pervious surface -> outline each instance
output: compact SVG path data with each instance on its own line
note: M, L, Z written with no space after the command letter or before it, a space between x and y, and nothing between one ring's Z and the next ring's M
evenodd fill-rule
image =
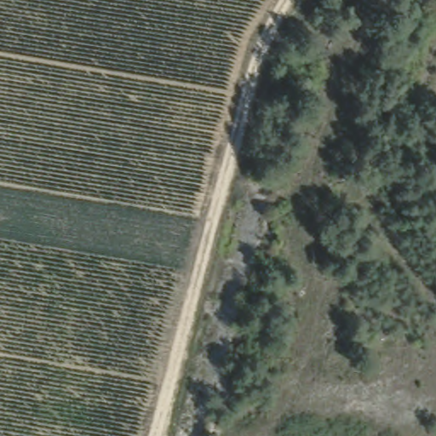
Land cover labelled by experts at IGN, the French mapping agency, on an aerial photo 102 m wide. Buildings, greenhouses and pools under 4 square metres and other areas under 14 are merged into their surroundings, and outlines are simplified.
M274 34L278 31L276 24L290 10L293 0L278 0L274 12L271 10L262 15L261 24L250 36L249 46L240 66L240 77L235 83L235 94L230 107L230 121L225 126L230 145L225 146L223 152L208 218L204 223L198 255L192 267L191 283L182 305L181 318L170 351L169 366L160 388L157 409L153 414L148 436L167 436L175 390L179 383L181 375L182 363L187 354L187 342L191 336L199 295L203 288L204 274L208 269L211 249L215 244L216 228L220 223L223 206L227 203L230 182L237 169L235 157L244 150L240 145L249 118L250 102L255 94L259 61L267 53L267 46L274 41Z

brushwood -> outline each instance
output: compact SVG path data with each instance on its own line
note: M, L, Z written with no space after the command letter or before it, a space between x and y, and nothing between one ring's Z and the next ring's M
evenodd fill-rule
M293 421L288 422L284 431L274 433L276 436L363 436L368 429L366 422L363 421L363 412L358 410L349 414L337 414L336 417L300 412L295 414Z

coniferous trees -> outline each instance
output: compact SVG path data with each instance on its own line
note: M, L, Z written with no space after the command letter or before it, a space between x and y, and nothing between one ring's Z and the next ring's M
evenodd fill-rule
M225 325L237 325L237 336L233 337L232 341L223 337L218 344L208 344L208 359L215 366L216 375L220 378L223 388L220 390L215 385L181 375L179 383L192 393L196 407L194 426L189 436L215 436L209 433L206 426L215 422L218 426L221 417L232 414L240 402L255 402L257 409L261 410L271 404L269 385L276 378L276 368L269 359L276 358L283 351L284 334L281 329L284 325L290 324L290 315L281 310L278 296L274 295L274 281L284 278L284 283L293 284L296 279L295 271L284 259L271 255L272 245L278 240L278 235L272 228L267 228L261 245L250 245L245 242L240 244L238 250L244 255L245 271L238 272L237 269L233 269L232 279L221 290L220 308L216 315Z
M254 199L252 208L259 215L267 215L271 209L291 203L296 220L313 238L305 247L308 262L315 262L320 272L330 264L334 266L332 276L339 284L337 300L344 298L347 312L356 313L359 322L358 332L354 336L356 344L353 346L353 353L346 356L351 366L356 366L364 373L370 371L370 368L378 368L381 358L392 354L397 337L409 342L424 341L424 336L431 327L431 318L436 313L436 0L293 0L290 10L276 24L278 31L274 34L274 41L267 46L267 53L259 61L255 94L250 102L249 118L240 145L244 150L235 157L237 169L244 177L259 184L261 194L266 194L264 201Z

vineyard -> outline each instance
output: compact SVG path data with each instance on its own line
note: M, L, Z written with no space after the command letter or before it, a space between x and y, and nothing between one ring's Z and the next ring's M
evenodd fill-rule
M160 388L169 366L170 351L181 318L182 305L191 283L192 267L198 255L204 223L208 218L223 152L225 146L230 145L225 126L230 121L230 107L235 94L235 83L240 77L240 66L249 46L250 36L261 24L262 15L271 10L274 12L278 0L0 0L0 436L148 436L153 414L157 409Z

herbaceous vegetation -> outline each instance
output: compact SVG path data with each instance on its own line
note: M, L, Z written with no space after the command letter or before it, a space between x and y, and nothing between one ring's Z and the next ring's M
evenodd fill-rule
M196 407L192 393L179 383L175 390L167 436L189 436L194 426Z
M278 235L278 240L272 245L271 255L284 259L295 271L296 279L293 284L284 283L284 278L274 281L274 295L278 296L281 310L290 315L290 324L284 325L281 329L284 334L283 351L276 358L269 359L276 368L276 378L269 385L271 404L261 410L257 409L255 402L240 402L232 414L221 417L218 426L215 422L206 426L209 433L215 436L276 436L274 433L284 431L288 422L293 421L295 414L300 412L336 417L337 414L349 414L358 410L363 412L363 421L366 422L368 429L363 436L436 436L436 313L431 318L431 327L424 336L424 341L409 342L397 337L392 354L381 358L378 368L370 368L370 371L364 373L356 366L351 366L346 356L353 353L353 346L356 344L354 336L358 332L359 322L356 313L347 312L344 298L337 300L339 284L332 276L334 266L330 264L320 272L315 262L308 262L305 247L313 238L296 220L291 203L271 209L267 215L259 215L252 208L254 199L264 201L266 194L261 194L259 184L244 177L237 169L230 182L227 203L223 206L220 223L216 228L215 244L211 249L208 269L204 274L203 288L199 295L191 336L187 342L187 354L182 363L181 375L215 385L220 390L223 388L220 378L216 375L215 366L208 359L208 344L218 344L223 337L232 341L233 337L237 336L237 325L225 325L216 315L220 308L221 290L232 279L233 269L237 269L238 272L245 271L244 255L238 250L240 244L245 242L250 245L261 245L267 228L272 228Z

